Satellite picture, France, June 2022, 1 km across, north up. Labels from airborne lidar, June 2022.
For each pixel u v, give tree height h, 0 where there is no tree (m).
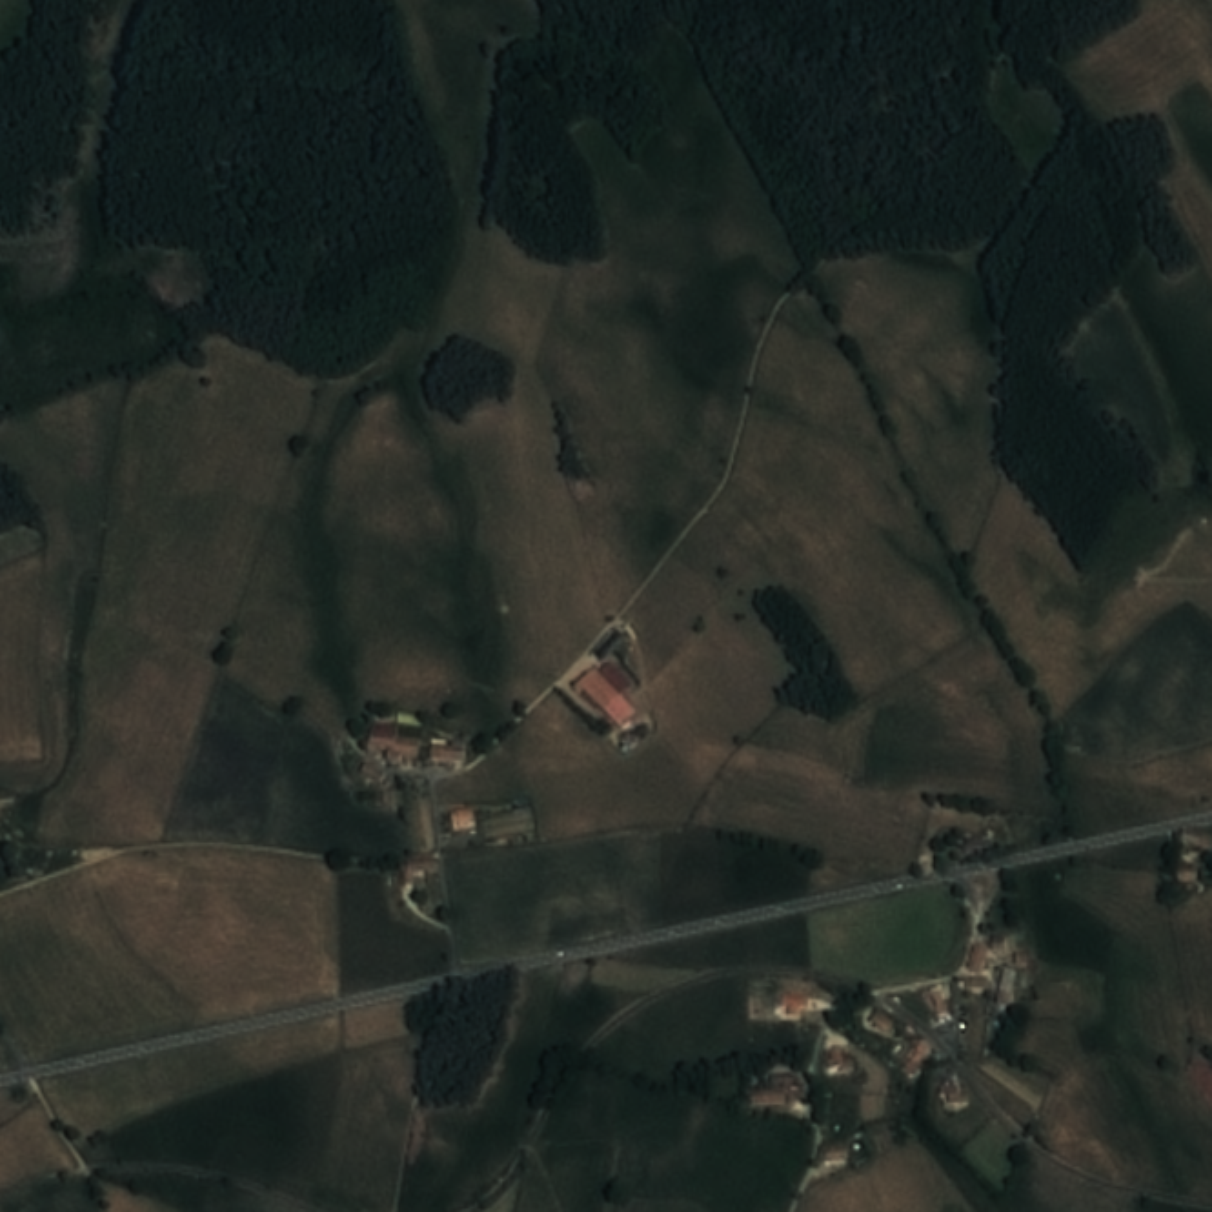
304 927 0
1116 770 0
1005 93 0
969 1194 0
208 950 0
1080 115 24
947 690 0
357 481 0
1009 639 13
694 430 0
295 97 27
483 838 0
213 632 0
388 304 22
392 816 0
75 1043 0
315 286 13
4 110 22
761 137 13
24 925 0
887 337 0
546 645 0
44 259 0
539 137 16
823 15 26
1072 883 0
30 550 0
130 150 26
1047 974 0
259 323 20
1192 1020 0
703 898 0
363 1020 0
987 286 11
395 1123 0
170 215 25
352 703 0
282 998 0
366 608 0
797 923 0
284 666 0
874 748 0
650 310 0
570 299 0
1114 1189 0
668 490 0
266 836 0
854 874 0
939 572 0
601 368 0
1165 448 0
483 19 0
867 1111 0
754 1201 0
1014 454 18
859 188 22
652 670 0
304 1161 0
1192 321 0
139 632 0
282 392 0
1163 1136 0
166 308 18
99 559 0
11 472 16
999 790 0
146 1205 0
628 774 0
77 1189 0
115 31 0
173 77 31
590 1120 0
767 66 20
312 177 28
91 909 0
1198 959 0
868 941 0
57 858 0
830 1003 0
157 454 0
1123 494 19
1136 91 0
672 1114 0
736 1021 0
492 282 0
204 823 0
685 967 0
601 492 0
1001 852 24
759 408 0
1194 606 0
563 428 11
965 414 0
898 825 0
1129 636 0
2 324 18
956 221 27
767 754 0
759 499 0
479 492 0
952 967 0
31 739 0
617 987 0
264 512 0
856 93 23
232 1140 0
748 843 13
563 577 0
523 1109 0
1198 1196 0
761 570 0
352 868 14
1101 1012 0
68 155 21
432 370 13
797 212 19
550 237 12
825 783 0
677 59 0
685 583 0
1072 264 31
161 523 0
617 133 18
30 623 0
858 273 0
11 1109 0
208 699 0
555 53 19
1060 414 19
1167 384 0
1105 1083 0
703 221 0
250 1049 0
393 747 0
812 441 0
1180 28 0
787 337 0
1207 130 0
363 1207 0
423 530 0
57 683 0
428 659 0
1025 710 0
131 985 0
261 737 0
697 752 0
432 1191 0
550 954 0
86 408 0
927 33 26
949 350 0
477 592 0
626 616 0
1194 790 0
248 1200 0
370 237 25
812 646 13
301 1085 0
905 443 0
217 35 24
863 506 0
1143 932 0
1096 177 21
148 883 0
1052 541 0
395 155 33
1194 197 0
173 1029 0
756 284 0
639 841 0
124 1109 0
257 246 21
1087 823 0
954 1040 0
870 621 0
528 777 0
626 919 0
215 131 24
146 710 0
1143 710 0
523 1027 0
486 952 0
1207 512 0
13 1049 0
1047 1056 0
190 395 0
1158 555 0
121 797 0
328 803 0
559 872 0
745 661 0
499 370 15
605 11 28
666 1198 0
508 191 17
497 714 0
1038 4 19
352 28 17
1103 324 0
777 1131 0
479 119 0
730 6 21
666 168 0
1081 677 0
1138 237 19
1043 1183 0
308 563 0
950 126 34
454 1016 16
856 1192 0
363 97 28
